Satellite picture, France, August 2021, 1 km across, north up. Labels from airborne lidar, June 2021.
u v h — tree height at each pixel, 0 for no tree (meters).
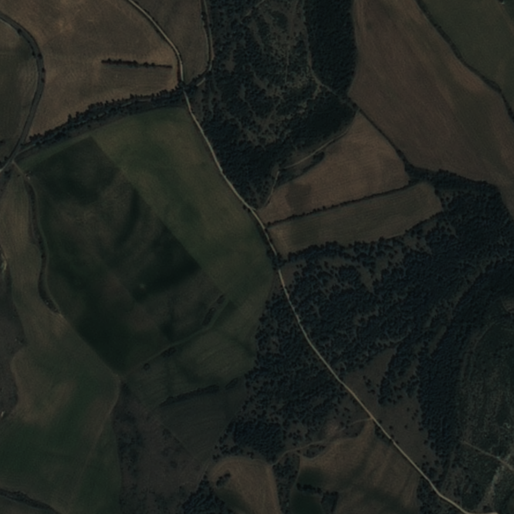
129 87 0
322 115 6
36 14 0
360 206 0
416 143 0
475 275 9
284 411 9
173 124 0
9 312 0
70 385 0
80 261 0
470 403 0
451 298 13
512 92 0
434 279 14
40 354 0
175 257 0
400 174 0
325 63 8
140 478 0
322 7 11
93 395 0
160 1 0
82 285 0
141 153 0
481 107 0
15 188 0
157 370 0
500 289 10
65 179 0
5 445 0
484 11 0
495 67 0
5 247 0
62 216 0
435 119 0
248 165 10
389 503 0
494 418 0
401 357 12
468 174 0
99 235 0
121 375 0
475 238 12
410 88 0
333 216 0
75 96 0
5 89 0
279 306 12
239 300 0
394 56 0
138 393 0
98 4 0
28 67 0
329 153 0
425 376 13
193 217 0
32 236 0
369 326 10
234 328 0
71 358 0
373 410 0
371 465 0
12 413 0
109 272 0
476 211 8
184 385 0
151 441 0
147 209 0
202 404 0
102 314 0
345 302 14
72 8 0
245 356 0
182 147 0
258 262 0
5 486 0
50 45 0
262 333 9
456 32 0
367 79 0
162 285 0
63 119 0
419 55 0
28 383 0
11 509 0
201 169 0
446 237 12
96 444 0
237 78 6
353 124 0
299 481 0
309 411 12
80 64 0
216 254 0
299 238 0
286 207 0
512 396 0
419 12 0
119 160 0
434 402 15
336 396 10
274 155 13
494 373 0
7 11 0
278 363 13
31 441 0
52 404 0
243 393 0
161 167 0
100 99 0
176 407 0
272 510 0
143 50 0
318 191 0
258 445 10
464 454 0
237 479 0
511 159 0
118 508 0
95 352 0
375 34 0
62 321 0
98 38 0
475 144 0
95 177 0
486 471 0
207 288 0
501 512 6
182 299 0
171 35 0
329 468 0
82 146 0
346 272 15
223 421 0
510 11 0
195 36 0
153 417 0
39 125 0
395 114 0
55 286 0
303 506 0
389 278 10
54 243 0
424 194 0
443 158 0
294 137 7
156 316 0
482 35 0
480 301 10
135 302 0
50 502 0
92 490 0
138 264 0
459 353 9
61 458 0
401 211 0
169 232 0
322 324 9
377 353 8
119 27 0
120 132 0
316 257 16
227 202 0
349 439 0
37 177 0
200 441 0
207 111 8
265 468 0
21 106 0
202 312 0
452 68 0
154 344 0
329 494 9
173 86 0
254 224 0
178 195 0
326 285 8
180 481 0
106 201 0
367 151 0
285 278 0
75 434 0
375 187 0
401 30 0
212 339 0
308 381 8
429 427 7
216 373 0
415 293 11
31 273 0
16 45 0
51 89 0
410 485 0
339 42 11
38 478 0
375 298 9
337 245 13
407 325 15
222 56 8
